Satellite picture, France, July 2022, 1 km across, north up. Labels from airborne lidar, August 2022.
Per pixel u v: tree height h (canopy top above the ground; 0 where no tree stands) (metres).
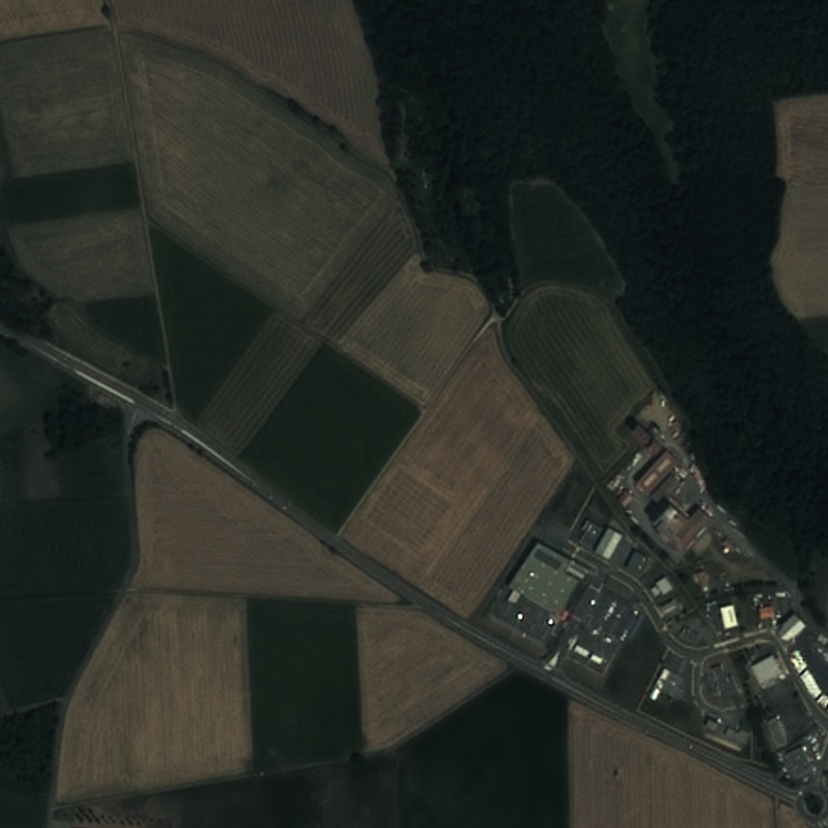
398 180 8
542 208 0
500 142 16
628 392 0
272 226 0
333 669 0
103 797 0
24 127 0
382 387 0
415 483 0
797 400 11
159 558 0
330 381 0
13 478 0
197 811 0
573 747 0
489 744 0
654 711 0
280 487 0
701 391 10
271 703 0
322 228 0
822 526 16
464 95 24
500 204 16
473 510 0
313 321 0
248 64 0
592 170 18
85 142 0
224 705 0
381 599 0
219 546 0
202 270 0
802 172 0
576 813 0
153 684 0
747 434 29
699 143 23
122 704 0
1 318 14
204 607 0
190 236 0
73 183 0
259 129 0
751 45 20
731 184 13
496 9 24
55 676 0
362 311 0
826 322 0
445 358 0
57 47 0
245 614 0
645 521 0
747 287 15
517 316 0
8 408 0
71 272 0
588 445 0
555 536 0
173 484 0
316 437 0
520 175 6
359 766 6
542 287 0
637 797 0
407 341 0
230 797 0
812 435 20
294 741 0
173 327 0
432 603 0
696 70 17
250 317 0
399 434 0
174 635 0
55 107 0
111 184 0
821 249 0
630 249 13
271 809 0
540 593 0
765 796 0
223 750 0
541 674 0
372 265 0
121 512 0
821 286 0
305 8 0
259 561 0
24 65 0
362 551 0
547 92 21
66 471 0
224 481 0
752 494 25
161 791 0
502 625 0
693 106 23
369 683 0
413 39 27
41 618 0
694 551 0
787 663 0
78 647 0
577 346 0
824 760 0
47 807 0
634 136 17
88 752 0
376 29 15
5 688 0
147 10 0
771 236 8
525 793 0
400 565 0
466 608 0
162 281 0
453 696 0
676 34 19
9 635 0
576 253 0
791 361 17
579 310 0
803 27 22
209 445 0
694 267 24
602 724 0
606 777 0
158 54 0
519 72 19
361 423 0
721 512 0
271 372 0
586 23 16
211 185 0
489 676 0
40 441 0
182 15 0
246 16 0
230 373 0
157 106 0
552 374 0
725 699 0
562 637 0
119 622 0
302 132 0
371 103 0
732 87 15
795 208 0
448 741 0
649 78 0
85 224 0
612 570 0
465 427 0
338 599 0
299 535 0
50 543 0
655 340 9
